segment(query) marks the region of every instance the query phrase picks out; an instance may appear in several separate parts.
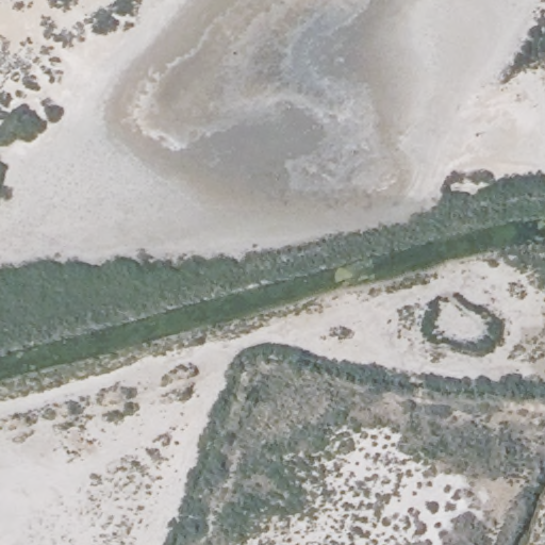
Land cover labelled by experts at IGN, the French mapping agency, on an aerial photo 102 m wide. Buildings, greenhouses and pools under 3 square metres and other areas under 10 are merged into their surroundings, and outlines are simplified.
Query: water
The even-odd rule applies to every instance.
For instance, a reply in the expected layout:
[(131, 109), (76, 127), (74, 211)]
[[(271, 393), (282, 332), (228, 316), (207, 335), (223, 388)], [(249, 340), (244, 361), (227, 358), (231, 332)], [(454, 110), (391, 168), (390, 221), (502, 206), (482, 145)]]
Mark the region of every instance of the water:
[(375, 166), (370, 166), (368, 172), (360, 172), (353, 177), (356, 187), (351, 189), (300, 192), (290, 187), (285, 162), (317, 151), (319, 141), (324, 141), (326, 136), (324, 123), (317, 121), (315, 115), (307, 115), (302, 109), (292, 106), (281, 111), (277, 121), (232, 126), (226, 132), (202, 136), (200, 141), (179, 151), (162, 147), (155, 138), (145, 136), (138, 123), (134, 121), (132, 113), (128, 113), (132, 102), (145, 94), (145, 83), (151, 83), (155, 89), (160, 89), (162, 79), (168, 79), (172, 68), (177, 68), (181, 62), (192, 60), (204, 47), (204, 43), (215, 49), (215, 55), (209, 57), (213, 70), (221, 66), (221, 62), (228, 66), (247, 66), (253, 53), (268, 38), (268, 34), (277, 28), (277, 19), (281, 19), (292, 9), (292, 4), (285, 0), (187, 0), (179, 9), (177, 17), (155, 36), (155, 40), (121, 72), (113, 89), (113, 96), (109, 98), (104, 109), (109, 143), (121, 155), (134, 153), (153, 172), (168, 179), (185, 181), (196, 194), (207, 194), (211, 198), (217, 198), (219, 202), (234, 202), (245, 207), (249, 204), (253, 215), (296, 217), (304, 228), (317, 226), (324, 236), (404, 224), (411, 219), (411, 215), (426, 211), (422, 207), (422, 200), (407, 196), (411, 166), (407, 155), (398, 147), (400, 136), (409, 128), (407, 115), (411, 111), (413, 85), (417, 83), (417, 77), (411, 72), (411, 49), (400, 43), (398, 34), (398, 26), (409, 17), (402, 9), (413, 6), (413, 0), (392, 0), (392, 4), (385, 9), (381, 28), (373, 38), (375, 49), (381, 51), (383, 57), (381, 72), (387, 83), (385, 102), (373, 104), (370, 98), (356, 98), (347, 100), (338, 113), (338, 121), (349, 126), (349, 138), (345, 143), (345, 149), (368, 149), (373, 153)]
[(128, 321), (123, 326), (94, 330), (92, 334), (28, 347), (23, 349), (21, 358), (15, 358), (13, 351), (0, 356), (0, 381), (17, 375), (28, 375), (47, 366), (72, 364), (79, 360), (100, 356), (117, 358), (119, 349), (130, 347), (138, 349), (145, 356), (147, 345), (151, 341), (187, 332), (198, 326), (213, 326), (215, 330), (221, 330), (224, 324), (253, 315), (255, 311), (287, 304), (304, 296), (328, 294), (332, 290), (338, 290), (364, 285), (409, 270), (428, 268), (445, 264), (449, 260), (475, 255), (483, 251), (498, 251), (509, 245), (545, 245), (545, 228), (539, 228), (534, 221), (492, 226), (447, 241), (430, 241), (426, 245), (417, 245), (404, 251), (379, 255), (373, 264), (375, 277), (360, 277), (356, 273), (351, 275), (347, 268), (336, 270), (336, 275), (332, 270), (321, 270), (309, 277), (255, 287), (251, 292), (232, 294), (226, 298), (215, 298), (183, 309), (172, 309), (153, 317)]

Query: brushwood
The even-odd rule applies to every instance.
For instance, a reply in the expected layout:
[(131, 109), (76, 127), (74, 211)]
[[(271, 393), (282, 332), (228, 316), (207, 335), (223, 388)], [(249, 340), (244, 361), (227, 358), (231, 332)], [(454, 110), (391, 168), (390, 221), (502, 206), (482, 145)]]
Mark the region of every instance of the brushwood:
[(207, 341), (238, 338), (243, 334), (264, 328), (270, 319), (277, 317), (324, 313), (326, 309), (334, 307), (341, 294), (338, 290), (332, 290), (328, 294), (304, 296), (287, 304), (255, 311), (253, 315), (224, 324), (221, 330), (215, 330), (213, 326), (198, 326), (187, 332), (151, 341), (147, 345), (145, 356), (166, 356), (175, 349), (204, 345)]
[(89, 377), (106, 375), (138, 362), (145, 356), (138, 349), (130, 347), (119, 349), (117, 358), (100, 356), (79, 360), (72, 364), (47, 366), (28, 375), (17, 375), (0, 381), (0, 402), (47, 392), (70, 381), (83, 381)]
[(6, 185), (4, 185), (4, 177), (6, 177), (6, 164), (2, 162), (2, 160), (0, 160), (0, 200), (11, 200), (13, 192), (11, 192), (11, 187), (6, 187)]
[(36, 77), (30, 72), (30, 66), (9, 51), (9, 38), (0, 36), (0, 75), (11, 77), (11, 81), (15, 83), (23, 83), (28, 89), (34, 92), (38, 89), (38, 83)]
[(228, 502), (215, 519), (217, 530), (226, 536), (226, 543), (241, 545), (243, 545), (247, 543), (247, 539), (253, 539), (255, 534), (270, 530), (270, 517), (277, 515), (283, 519), (292, 515), (298, 515), (307, 502), (304, 490), (304, 488), (296, 485), (296, 470), (313, 470), (313, 451), (324, 449), (328, 445), (328, 434), (332, 432), (332, 428), (326, 422), (319, 419), (317, 424), (304, 424), (300, 430), (294, 430), (290, 439), (279, 439), (262, 445), (260, 449), (253, 449), (253, 453), (243, 453), (236, 483), (232, 488), (232, 492), (243, 502)]
[[(458, 302), (458, 307), (477, 313), (485, 324), (485, 334), (477, 341), (458, 341), (445, 336), (445, 332), (436, 328), (436, 319), (441, 315), (441, 304), (447, 302)], [(424, 338), (432, 345), (447, 345), (451, 351), (464, 356), (481, 358), (492, 353), (505, 341), (502, 317), (498, 317), (483, 304), (470, 302), (466, 296), (456, 292), (434, 296), (428, 302), (428, 311), (422, 319)]]
[(117, 30), (117, 21), (104, 9), (94, 13), (96, 26), (92, 30), (96, 34), (109, 34)]
[(536, 19), (536, 26), (530, 30), (522, 51), (515, 55), (513, 64), (502, 72), (502, 83), (509, 83), (524, 70), (536, 70), (536, 64), (545, 60), (545, 17)]
[[(453, 183), (462, 181), (481, 181), (485, 183), (485, 187), (473, 194), (456, 192), (451, 189)], [(530, 172), (496, 179), (490, 170), (453, 170), (443, 181), (439, 202), (430, 211), (426, 211), (411, 215), (411, 219), (404, 224), (324, 236), (300, 245), (249, 251), (241, 260), (228, 255), (181, 255), (177, 262), (170, 262), (155, 260), (149, 253), (141, 253), (134, 260), (117, 255), (102, 264), (89, 264), (81, 260), (57, 262), (45, 258), (23, 262), (17, 266), (0, 266), (0, 356), (13, 351), (15, 358), (21, 358), (23, 349), (28, 347), (92, 334), (94, 330), (123, 326), (128, 321), (153, 317), (172, 309), (183, 309), (215, 298), (226, 298), (232, 294), (251, 292), (255, 287), (309, 277), (321, 270), (332, 270), (336, 275), (336, 270), (347, 268), (351, 275), (356, 273), (360, 277), (375, 277), (373, 264), (379, 255), (404, 251), (417, 245), (426, 245), (430, 241), (447, 241), (492, 226), (534, 221), (539, 228), (545, 228), (545, 175)]]
[(536, 509), (541, 505), (541, 498), (545, 496), (545, 453), (530, 451), (528, 445), (524, 445), (524, 439), (515, 439), (511, 422), (500, 422), (500, 428), (479, 426), (477, 422), (460, 424), (449, 407), (417, 404), (415, 392), (430, 390), (441, 396), (498, 396), (513, 402), (545, 402), (545, 379), (528, 379), (522, 375), (505, 375), (496, 381), (488, 377), (458, 379), (432, 373), (400, 373), (379, 364), (330, 360), (324, 356), (315, 356), (307, 349), (281, 343), (260, 343), (245, 347), (230, 362), (226, 370), (226, 387), (219, 392), (219, 398), (211, 407), (209, 424), (198, 439), (196, 466), (187, 473), (185, 496), (181, 500), (179, 515), (168, 524), (168, 536), (164, 545), (194, 545), (198, 536), (207, 532), (209, 502), (213, 498), (215, 485), (228, 479), (228, 458), (221, 453), (221, 449), (224, 445), (232, 445), (236, 441), (236, 434), (219, 434), (217, 430), (228, 422), (230, 404), (236, 398), (241, 373), (247, 366), (255, 362), (290, 364), (296, 373), (309, 368), (311, 373), (326, 373), (332, 377), (347, 379), (351, 383), (368, 385), (375, 394), (396, 392), (402, 396), (402, 409), (409, 417), (407, 432), (400, 436), (398, 449), (402, 453), (409, 453), (413, 462), (422, 464), (428, 458), (439, 460), (445, 464), (445, 475), (462, 475), (464, 479), (507, 479), (509, 483), (517, 481), (522, 488), (519, 494), (526, 502), (526, 515), (515, 532), (513, 545), (528, 545), (528, 534)]
[(502, 258), (515, 255), (513, 266), (519, 273), (536, 273), (536, 287), (545, 290), (545, 245), (509, 245), (498, 251)]
[(53, 19), (43, 17), (40, 26), (45, 38), (57, 40), (64, 47), (72, 47), (72, 34), (55, 32)]
[(0, 147), (13, 145), (17, 141), (34, 141), (40, 132), (47, 130), (47, 126), (28, 104), (17, 106), (11, 113), (0, 111)]
[(364, 285), (370, 296), (379, 296), (411, 290), (415, 285), (428, 285), (428, 268), (409, 270)]

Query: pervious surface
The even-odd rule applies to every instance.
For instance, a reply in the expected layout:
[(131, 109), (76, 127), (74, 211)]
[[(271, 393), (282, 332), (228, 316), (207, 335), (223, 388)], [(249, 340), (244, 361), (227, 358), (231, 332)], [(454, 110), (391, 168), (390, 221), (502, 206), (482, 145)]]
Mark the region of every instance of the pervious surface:
[[(409, 453), (402, 453), (398, 449), (400, 436), (390, 428), (364, 428), (366, 439), (362, 439), (356, 432), (356, 449), (351, 453), (324, 460), (326, 468), (334, 468), (334, 464), (343, 466), (341, 477), (326, 477), (328, 488), (334, 490), (334, 496), (330, 500), (321, 498), (321, 488), (315, 483), (304, 483), (304, 488), (304, 490), (315, 492), (317, 519), (298, 519), (298, 515), (292, 515), (292, 526), (287, 534), (270, 530), (255, 534), (253, 539), (247, 539), (247, 543), (243, 545), (443, 545), (434, 528), (436, 522), (443, 524), (445, 530), (451, 530), (453, 517), (470, 513), (477, 519), (481, 519), (488, 509), (494, 513), (496, 519), (505, 519), (511, 500), (519, 494), (522, 488), (517, 481), (509, 483), (507, 479), (464, 479), (462, 475), (445, 475), (436, 475), (432, 488), (422, 488), (417, 496), (411, 496), (417, 481), (422, 481), (424, 477), (422, 464), (413, 462)], [(381, 517), (375, 519), (375, 513), (370, 509), (343, 509), (345, 502), (377, 502), (377, 494), (387, 494), (394, 490), (396, 473), (400, 470), (411, 470), (413, 477), (402, 479), (400, 496), (390, 500)], [(368, 475), (379, 475), (377, 481), (368, 485), (370, 496), (353, 496), (349, 488)], [(426, 524), (426, 534), (415, 534), (409, 528), (404, 530), (404, 515), (411, 507), (419, 511), (419, 517)]]
[(458, 307), (458, 302), (447, 302), (441, 304), (441, 315), (436, 319), (436, 328), (445, 332), (445, 336), (458, 341), (477, 341), (485, 334), (485, 324), (477, 313)]
[[(270, 319), (264, 328), (243, 334), (238, 338), (207, 341), (204, 345), (175, 349), (166, 356), (145, 356), (138, 362), (106, 375), (89, 377), (83, 381), (70, 381), (47, 392), (0, 402), (0, 545), (164, 545), (168, 536), (168, 524), (179, 515), (181, 500), (185, 496), (187, 473), (196, 466), (198, 439), (209, 424), (211, 407), (219, 398), (219, 392), (226, 387), (226, 370), (230, 362), (245, 347), (260, 343), (281, 343), (307, 349), (315, 356), (324, 356), (330, 360), (379, 364), (400, 373), (432, 373), (458, 379), (488, 377), (496, 381), (505, 375), (522, 375), (528, 379), (545, 379), (545, 290), (536, 287), (536, 273), (519, 273), (513, 266), (488, 266), (485, 262), (479, 262), (475, 255), (449, 260), (445, 264), (428, 268), (428, 285), (415, 285), (411, 290), (379, 296), (370, 296), (364, 285), (338, 290), (341, 294), (334, 307), (326, 309), (324, 313), (277, 317)], [(434, 296), (456, 292), (466, 296), (470, 302), (483, 304), (498, 317), (502, 317), (505, 341), (492, 353), (481, 358), (464, 356), (451, 351), (447, 345), (432, 345), (424, 338), (422, 319), (428, 311), (428, 302)]]
[(413, 0), (413, 6), (402, 9), (409, 17), (398, 26), (398, 34), (400, 43), (411, 49), (411, 72), (417, 77), (417, 83), (413, 85), (411, 111), (407, 115), (409, 128), (400, 136), (398, 147), (407, 155), (411, 166), (407, 196), (422, 200), (422, 207), (426, 211), (430, 211), (439, 202), (443, 181), (453, 170), (490, 170), (496, 179), (530, 172), (545, 175), (545, 60), (536, 64), (536, 70), (524, 70), (509, 83), (502, 83), (502, 72), (513, 64), (515, 55), (522, 51), (530, 30), (536, 26), (536, 19), (545, 17), (545, 0)]
[(481, 181), (462, 181), (453, 183), (451, 189), (456, 192), (473, 194), (485, 187), (485, 183)]
[(326, 136), (324, 141), (319, 141), (317, 151), (285, 162), (290, 187), (300, 192), (351, 189), (356, 187), (353, 177), (360, 172), (368, 172), (370, 166), (375, 166), (373, 153), (368, 149), (345, 149), (345, 143), (349, 138), (349, 126), (338, 121), (338, 113), (347, 100), (356, 98), (370, 98), (373, 104), (385, 102), (387, 83), (381, 72), (383, 57), (381, 51), (375, 49), (373, 38), (381, 28), (385, 9), (392, 4), (392, 0), (285, 0), (292, 4), (292, 9), (281, 19), (277, 19), (277, 28), (268, 34), (268, 38), (253, 53), (247, 66), (228, 66), (221, 62), (221, 66), (213, 70), (209, 57), (215, 55), (215, 49), (204, 43), (204, 47), (192, 60), (181, 62), (177, 68), (172, 68), (168, 79), (162, 79), (160, 89), (155, 89), (151, 83), (145, 83), (145, 94), (132, 102), (128, 113), (132, 113), (134, 121), (138, 123), (145, 136), (155, 138), (162, 147), (179, 151), (200, 141), (202, 136), (226, 132), (232, 126), (277, 121), (281, 111), (292, 106), (302, 109), (307, 115), (315, 115), (317, 121), (324, 123)]
[(545, 545), (545, 496), (541, 498), (541, 505), (536, 509), (528, 534), (528, 545)]
[[(0, 0), (0, 36), (9, 38), (9, 51), (30, 66), (30, 72), (36, 77), (38, 83), (38, 89), (34, 92), (28, 89), (23, 83), (15, 83), (11, 81), (11, 77), (0, 75), (0, 111), (11, 113), (17, 106), (28, 104), (47, 126), (47, 130), (40, 132), (34, 141), (17, 141), (13, 145), (0, 147), (0, 160), (2, 160), (2, 162), (6, 164), (6, 177), (4, 177), (4, 185), (6, 185), (6, 187), (11, 187), (11, 192), (13, 192), (11, 200), (0, 200), (0, 266), (17, 266), (23, 262), (45, 258), (57, 262), (81, 260), (89, 264), (102, 264), (117, 255), (134, 260), (141, 253), (149, 253), (155, 260), (170, 262), (177, 262), (181, 255), (228, 255), (241, 260), (249, 251), (300, 245), (324, 236), (317, 226), (304, 228), (296, 217), (253, 215), (249, 204), (245, 207), (234, 202), (219, 202), (217, 198), (211, 198), (207, 194), (196, 194), (185, 181), (168, 179), (153, 172), (134, 153), (121, 155), (109, 143), (104, 109), (109, 98), (113, 96), (113, 89), (121, 72), (155, 40), (155, 36), (177, 17), (179, 9), (187, 0), (132, 0), (138, 23), (132, 30), (117, 30), (109, 34), (96, 34), (92, 30), (96, 26), (94, 13), (104, 9), (115, 0)], [(57, 40), (45, 38), (40, 26), (43, 17), (53, 19), (55, 32), (72, 34), (72, 47), (64, 47)]]

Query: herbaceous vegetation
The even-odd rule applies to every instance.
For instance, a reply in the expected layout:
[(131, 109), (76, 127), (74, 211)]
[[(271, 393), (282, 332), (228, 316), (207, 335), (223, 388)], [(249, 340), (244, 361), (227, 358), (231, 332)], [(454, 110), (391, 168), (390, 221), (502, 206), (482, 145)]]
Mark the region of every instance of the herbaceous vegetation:
[(298, 519), (317, 519), (315, 492), (304, 490), (307, 502), (298, 515)]
[(419, 511), (411, 507), (404, 515), (404, 530), (409, 528), (415, 534), (426, 534), (426, 524), (419, 517)]
[(396, 473), (394, 490), (387, 494), (377, 494), (377, 502), (345, 502), (343, 509), (370, 509), (375, 513), (375, 519), (381, 517), (390, 500), (400, 496), (402, 479), (413, 477), (411, 470), (400, 470)]
[(292, 515), (283, 519), (277, 515), (270, 517), (270, 530), (287, 534), (292, 526)]
[(505, 519), (496, 519), (494, 513), (488, 509), (481, 519), (477, 519), (470, 513), (453, 517), (451, 530), (445, 530), (443, 524), (436, 522), (434, 528), (443, 545), (513, 545), (515, 532), (526, 515), (526, 502), (519, 494), (511, 500)]
[(513, 266), (515, 255), (502, 258), (498, 251), (483, 251), (475, 255), (479, 262), (485, 262), (488, 266)]
[(422, 488), (432, 488), (436, 475), (445, 475), (445, 464), (439, 460), (428, 458), (422, 464), (424, 477), (422, 481), (417, 481), (411, 496), (417, 496)]
[(353, 496), (370, 496), (368, 485), (377, 481), (379, 475), (368, 475), (349, 488)]
[(300, 430), (304, 424), (317, 424), (319, 419), (326, 422), (332, 428), (332, 432), (328, 434), (328, 445), (324, 449), (313, 451), (313, 470), (296, 470), (296, 485), (304, 488), (304, 483), (315, 483), (321, 488), (321, 498), (330, 500), (334, 496), (334, 490), (328, 488), (326, 477), (341, 477), (343, 466), (334, 464), (334, 468), (326, 468), (324, 460), (351, 453), (356, 449), (356, 432), (362, 439), (366, 439), (364, 428), (390, 428), (400, 436), (407, 432), (409, 417), (402, 409), (402, 396), (396, 392), (375, 394), (368, 385), (351, 383), (347, 379), (332, 377), (326, 373), (311, 373), (309, 368), (296, 373), (290, 364), (255, 362), (247, 366), (241, 373), (236, 398), (230, 404), (228, 422), (217, 430), (219, 434), (236, 434), (236, 441), (232, 445), (224, 445), (221, 449), (221, 453), (228, 458), (228, 479), (215, 485), (213, 498), (209, 502), (207, 532), (198, 536), (194, 545), (241, 545), (226, 543), (226, 536), (217, 530), (215, 519), (228, 502), (243, 502), (232, 492), (232, 488), (236, 483), (243, 453), (253, 453), (253, 449), (260, 449), (262, 445), (279, 439), (290, 439), (294, 430)]
[(417, 404), (449, 407), (460, 424), (477, 422), (479, 426), (500, 428), (500, 422), (511, 422), (515, 439), (524, 439), (524, 445), (528, 445), (530, 451), (545, 453), (545, 402), (513, 402), (498, 396), (441, 396), (430, 390), (415, 392)]
[(132, 0), (115, 0), (104, 9), (117, 21), (117, 30), (132, 30), (138, 23)]

